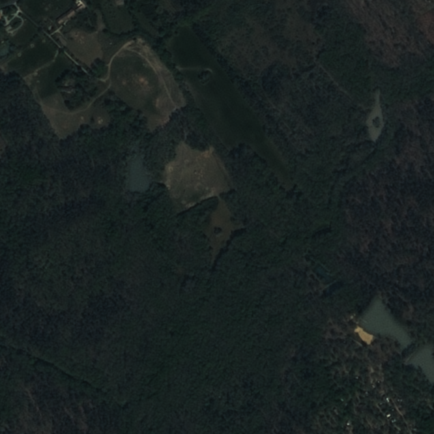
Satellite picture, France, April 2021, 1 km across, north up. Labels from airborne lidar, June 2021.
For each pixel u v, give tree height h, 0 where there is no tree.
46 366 23
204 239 19
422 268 13
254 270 21
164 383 25
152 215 23
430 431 24
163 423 19
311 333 18
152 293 20
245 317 25
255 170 20
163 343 24
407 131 22
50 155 14
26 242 13
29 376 24
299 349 20
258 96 7
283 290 17
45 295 17
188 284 20
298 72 8
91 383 15
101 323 11
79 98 11
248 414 18
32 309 20
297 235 18
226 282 21
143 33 8
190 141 17
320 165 22
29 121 19
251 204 15
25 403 19
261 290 20
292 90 24
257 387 21
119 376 18
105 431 29
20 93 13
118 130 19
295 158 15
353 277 17
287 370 10
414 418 16
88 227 16
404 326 0
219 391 18
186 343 23
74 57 7
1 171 20
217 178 0
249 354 21
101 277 18
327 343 12
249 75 6
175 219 16
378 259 12
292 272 18
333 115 24
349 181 19
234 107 0
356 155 26
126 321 17
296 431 12
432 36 0
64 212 24
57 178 13
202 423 14
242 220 16
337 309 20
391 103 18
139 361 25
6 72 0
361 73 22
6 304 24
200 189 0
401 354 10
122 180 20
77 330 21
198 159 0
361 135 16
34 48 0
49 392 29
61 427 10
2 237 25
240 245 20
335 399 17
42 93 0
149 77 0
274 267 21
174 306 20
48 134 15
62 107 0
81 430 25
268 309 26
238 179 19
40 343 28
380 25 13
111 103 15
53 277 12
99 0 0
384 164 18
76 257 17
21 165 18
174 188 0
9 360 26
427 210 29
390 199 7
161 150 16
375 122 10
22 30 0
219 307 23
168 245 19
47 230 23
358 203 26
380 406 10
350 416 19
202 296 22
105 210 27
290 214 14
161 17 6
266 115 13
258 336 27
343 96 14
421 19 0
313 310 19
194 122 14
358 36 20
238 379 20
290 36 0
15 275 18
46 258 10
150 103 0
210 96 0
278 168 0
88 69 8
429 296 13
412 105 14
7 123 16
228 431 20
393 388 10
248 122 0
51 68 0
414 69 20
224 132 0
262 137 0
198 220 14
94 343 26
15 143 16
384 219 14
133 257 15
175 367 20
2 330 22
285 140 20
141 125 16
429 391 22
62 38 0
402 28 17
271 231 17
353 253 13
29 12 0
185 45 0
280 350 17
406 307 25
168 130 15
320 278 10
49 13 0
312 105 21
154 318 18
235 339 24
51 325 26
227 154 13
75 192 28
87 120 0
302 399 20
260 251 22
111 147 20
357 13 14
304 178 23
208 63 0
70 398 23
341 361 10
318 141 21
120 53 0
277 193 14
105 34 10
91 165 24
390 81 25
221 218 0
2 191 21
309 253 9
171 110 0
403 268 12
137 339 16
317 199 25
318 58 15
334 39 16
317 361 16
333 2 17
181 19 21
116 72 0
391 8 18
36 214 16
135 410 24
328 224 9
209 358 22
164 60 18
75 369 25
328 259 15
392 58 9
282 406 15
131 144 16
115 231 16
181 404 15
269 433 20
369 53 18
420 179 13
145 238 22
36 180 18
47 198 15
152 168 16
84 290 17
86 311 17
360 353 17
